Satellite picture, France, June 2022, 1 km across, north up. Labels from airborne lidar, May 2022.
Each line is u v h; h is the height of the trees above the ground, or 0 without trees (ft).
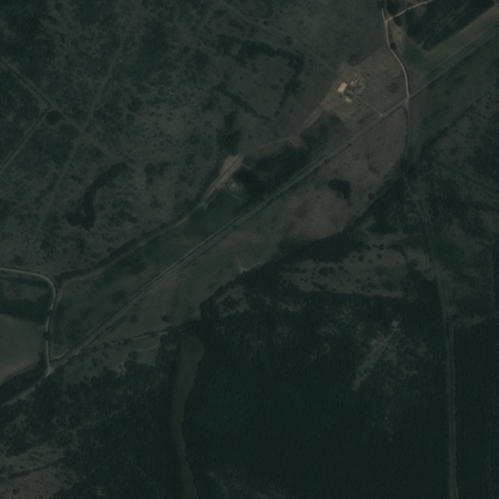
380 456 28
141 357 0
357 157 0
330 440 35
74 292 0
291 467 28
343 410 29
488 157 30
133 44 27
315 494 25
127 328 0
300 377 26
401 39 0
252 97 0
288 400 38
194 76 18
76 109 27
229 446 24
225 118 23
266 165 22
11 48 35
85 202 33
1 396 37
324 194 0
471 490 32
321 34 0
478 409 26
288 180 33
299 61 28
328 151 0
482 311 29
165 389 30
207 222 0
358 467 33
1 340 0
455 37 0
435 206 25
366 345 28
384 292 0
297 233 0
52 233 21
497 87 24
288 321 34
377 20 0
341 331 18
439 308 28
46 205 0
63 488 21
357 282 23
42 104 0
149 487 29
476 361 36
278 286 31
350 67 0
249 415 33
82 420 29
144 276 0
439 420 39
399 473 35
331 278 0
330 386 33
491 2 27
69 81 18
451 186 17
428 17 22
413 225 18
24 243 0
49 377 29
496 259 34
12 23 18
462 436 28
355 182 0
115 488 23
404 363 25
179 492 31
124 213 22
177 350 23
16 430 27
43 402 30
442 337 29
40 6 29
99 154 27
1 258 0
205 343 33
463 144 0
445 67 0
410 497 39
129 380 24
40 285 24
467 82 0
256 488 20
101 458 31
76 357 28
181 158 0
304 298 28
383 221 25
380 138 0
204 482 28
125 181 0
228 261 0
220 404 25
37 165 18
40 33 29
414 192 22
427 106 0
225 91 26
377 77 0
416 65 0
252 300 23
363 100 0
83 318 0
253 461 30
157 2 24
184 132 0
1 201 30
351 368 31
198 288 0
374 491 32
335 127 0
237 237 0
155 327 0
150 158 0
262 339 24
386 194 23
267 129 0
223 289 42
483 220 22
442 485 26
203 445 30
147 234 25
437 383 37
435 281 19
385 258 0
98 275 0
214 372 39
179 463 41
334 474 31
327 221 0
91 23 22
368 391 32
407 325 31
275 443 38
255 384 24
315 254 42
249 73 0
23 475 19
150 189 0
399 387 28
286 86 21
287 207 0
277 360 27
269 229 0
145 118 0
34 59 20
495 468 33
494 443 31
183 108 0
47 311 27
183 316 0
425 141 0
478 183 19
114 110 27
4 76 25
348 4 0
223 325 31
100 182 37
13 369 0
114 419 25
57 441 19
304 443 27
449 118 0
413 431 36
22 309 24
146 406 35
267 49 34
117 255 37
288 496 25
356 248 37
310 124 0
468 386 26
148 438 24
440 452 28
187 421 47
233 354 34
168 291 0
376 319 19
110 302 0
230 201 0
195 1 26
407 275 23
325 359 25
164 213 0
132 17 0
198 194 23
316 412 29
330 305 21
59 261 0
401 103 0
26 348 0
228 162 0
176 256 0
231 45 29
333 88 0
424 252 0
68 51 0
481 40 0
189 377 0
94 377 28
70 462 31
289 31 0
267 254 0
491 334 35
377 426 21
